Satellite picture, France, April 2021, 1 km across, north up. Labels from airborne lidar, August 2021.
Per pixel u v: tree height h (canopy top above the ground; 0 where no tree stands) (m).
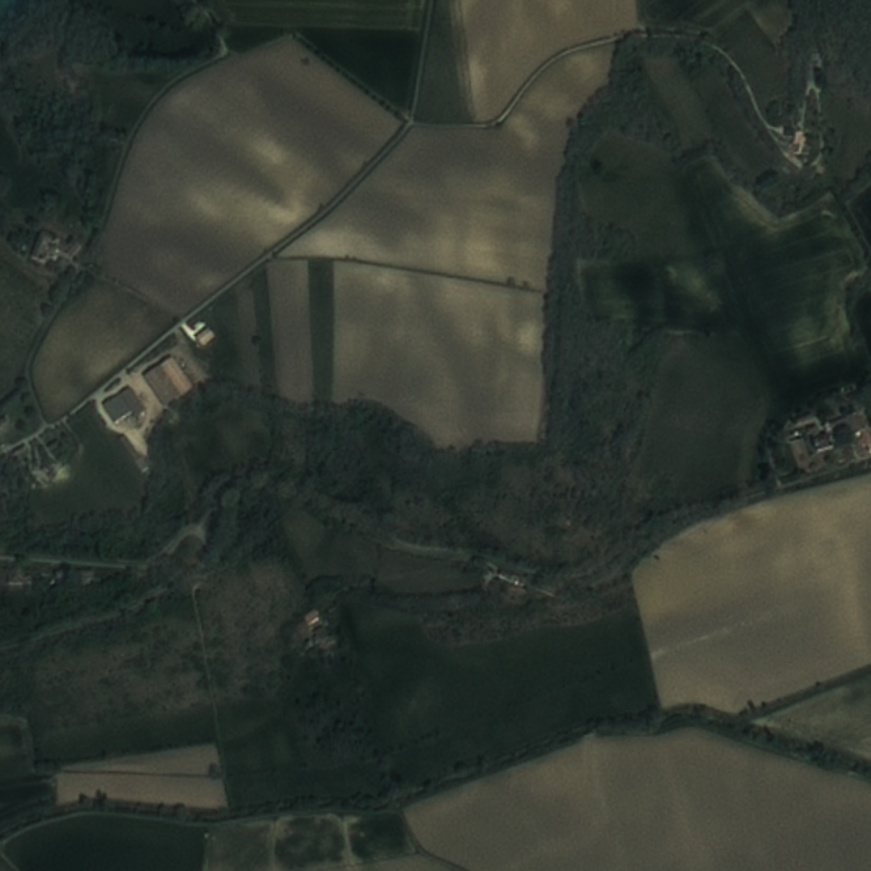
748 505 22
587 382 11
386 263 0
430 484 10
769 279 0
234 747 0
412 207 0
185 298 0
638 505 6
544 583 22
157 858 0
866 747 0
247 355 0
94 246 10
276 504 17
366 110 0
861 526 0
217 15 0
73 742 0
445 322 0
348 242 0
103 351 0
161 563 15
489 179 0
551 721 0
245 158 0
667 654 0
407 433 18
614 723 15
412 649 0
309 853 0
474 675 0
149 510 17
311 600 7
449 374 0
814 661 0
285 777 0
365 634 0
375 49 0
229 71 0
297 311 0
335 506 25
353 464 18
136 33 0
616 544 12
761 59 0
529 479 0
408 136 0
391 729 0
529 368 0
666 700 0
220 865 0
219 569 17
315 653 10
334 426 20
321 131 0
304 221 0
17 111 19
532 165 0
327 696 9
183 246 0
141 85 0
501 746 0
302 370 0
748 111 17
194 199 0
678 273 0
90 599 8
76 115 13
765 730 6
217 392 24
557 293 15
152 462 13
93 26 21
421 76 0
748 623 0
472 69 0
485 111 0
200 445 0
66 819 0
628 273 0
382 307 0
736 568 0
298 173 0
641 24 0
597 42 0
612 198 0
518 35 0
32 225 11
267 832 0
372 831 0
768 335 0
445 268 0
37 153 10
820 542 0
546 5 0
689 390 0
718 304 0
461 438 0
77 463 0
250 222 0
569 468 13
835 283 0
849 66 15
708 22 0
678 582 0
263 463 8
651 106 14
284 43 0
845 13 21
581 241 17
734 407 0
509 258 0
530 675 0
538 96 0
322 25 0
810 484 0
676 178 0
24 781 0
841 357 0
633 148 0
